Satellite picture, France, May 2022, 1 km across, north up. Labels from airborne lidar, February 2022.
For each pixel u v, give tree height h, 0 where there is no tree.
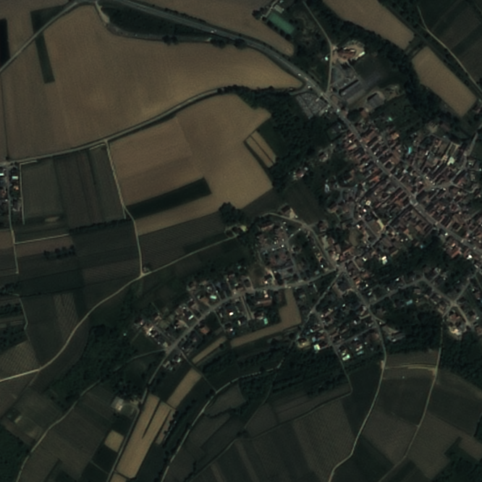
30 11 0
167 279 0
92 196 0
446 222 0
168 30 0
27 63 0
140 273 0
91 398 0
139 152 0
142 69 0
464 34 0
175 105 0
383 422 0
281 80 0
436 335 14
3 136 0
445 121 19
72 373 9
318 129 6
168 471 0
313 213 0
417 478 0
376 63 0
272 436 0
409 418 0
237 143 0
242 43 14
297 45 0
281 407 0
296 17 0
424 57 0
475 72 0
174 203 0
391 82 0
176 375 0
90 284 0
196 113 0
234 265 6
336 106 0
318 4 17
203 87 0
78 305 0
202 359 0
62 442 0
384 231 0
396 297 0
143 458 0
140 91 0
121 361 9
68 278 0
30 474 0
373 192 0
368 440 0
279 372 8
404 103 0
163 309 0
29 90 0
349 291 0
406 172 0
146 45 0
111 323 0
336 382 7
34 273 0
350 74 0
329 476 0
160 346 0
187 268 0
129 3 0
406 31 0
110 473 0
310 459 0
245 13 0
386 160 0
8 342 8
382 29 0
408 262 6
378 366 0
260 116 0
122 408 0
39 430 0
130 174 0
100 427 0
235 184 0
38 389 0
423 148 0
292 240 0
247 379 6
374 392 0
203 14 0
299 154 9
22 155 0
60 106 0
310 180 13
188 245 0
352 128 0
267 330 0
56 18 0
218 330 0
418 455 0
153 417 0
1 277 0
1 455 6
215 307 0
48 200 0
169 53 0
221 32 0
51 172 0
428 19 0
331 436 0
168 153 0
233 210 14
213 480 0
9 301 0
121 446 0
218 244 0
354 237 0
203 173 0
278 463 0
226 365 6
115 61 0
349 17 0
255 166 0
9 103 0
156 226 0
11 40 0
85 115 0
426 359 0
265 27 0
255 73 0
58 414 0
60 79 0
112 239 0
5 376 0
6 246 0
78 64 0
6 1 0
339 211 0
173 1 0
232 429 0
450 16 0
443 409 0
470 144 0
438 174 0
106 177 0
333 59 0
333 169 0
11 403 0
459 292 7
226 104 0
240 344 0
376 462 0
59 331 0
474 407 0
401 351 6
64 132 0
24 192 0
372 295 0
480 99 0
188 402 0
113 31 0
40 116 0
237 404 0
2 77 0
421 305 0
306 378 6
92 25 0
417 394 0
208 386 0
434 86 0
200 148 0
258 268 0
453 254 0
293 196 0
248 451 0
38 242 0
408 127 0
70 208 0
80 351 0
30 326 0
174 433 9
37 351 0
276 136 0
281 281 13
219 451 0
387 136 0
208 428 0
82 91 0
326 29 0
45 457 0
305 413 0
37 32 0
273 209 0
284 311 0
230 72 0
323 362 7
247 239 14
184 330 0
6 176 0
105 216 0
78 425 0
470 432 0
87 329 0
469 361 0
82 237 0
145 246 0
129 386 7
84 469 0
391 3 0
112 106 0
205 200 0
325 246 0
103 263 0
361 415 0
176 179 0
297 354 6
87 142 0
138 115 0
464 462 8
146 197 0
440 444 0
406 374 0
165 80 0
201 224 0
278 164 7
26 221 0
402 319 0
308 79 0
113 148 0
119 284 0
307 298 0
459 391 0
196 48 0
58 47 0
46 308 0
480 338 0
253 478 0
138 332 0
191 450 0
